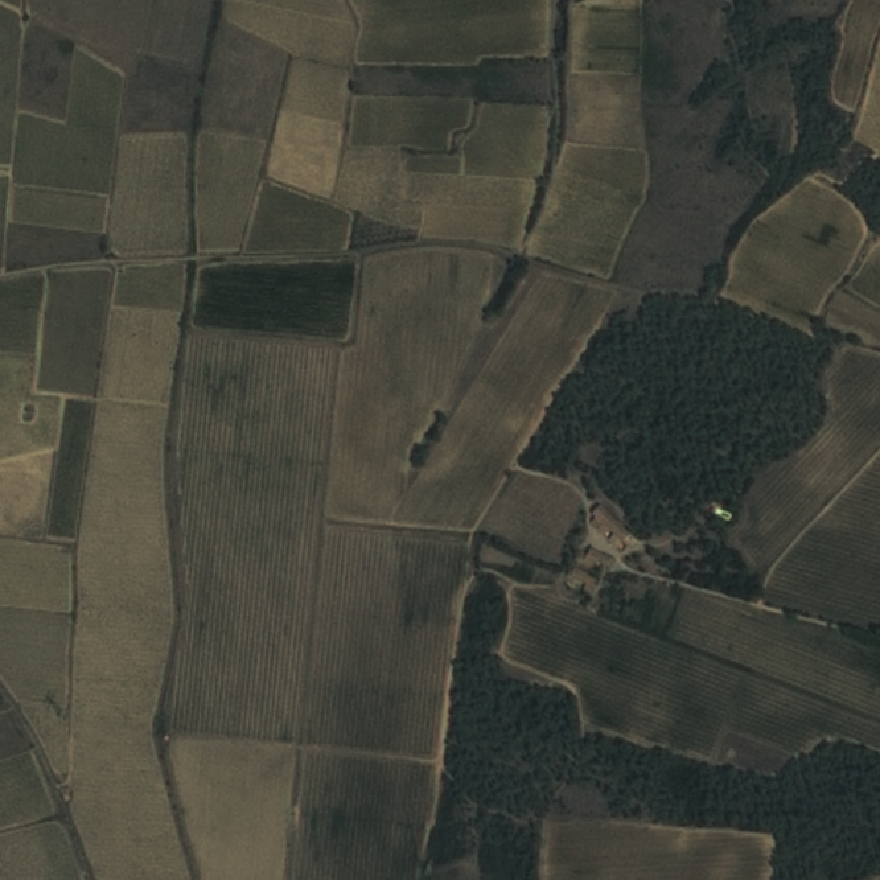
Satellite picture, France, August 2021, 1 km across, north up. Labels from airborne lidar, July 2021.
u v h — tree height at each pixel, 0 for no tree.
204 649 0
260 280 0
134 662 0
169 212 0
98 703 0
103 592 0
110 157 0
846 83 0
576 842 0
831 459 0
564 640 0
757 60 15
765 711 0
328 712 0
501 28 0
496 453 0
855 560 0
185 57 0
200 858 0
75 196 0
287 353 0
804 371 14
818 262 0
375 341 0
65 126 0
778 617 0
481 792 12
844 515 0
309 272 0
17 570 0
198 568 0
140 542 0
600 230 0
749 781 15
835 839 10
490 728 12
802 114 6
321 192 0
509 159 0
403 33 0
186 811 0
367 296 0
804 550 0
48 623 0
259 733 0
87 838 0
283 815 0
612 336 5
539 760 13
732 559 10
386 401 0
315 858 0
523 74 0
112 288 0
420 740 0
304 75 0
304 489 0
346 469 0
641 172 0
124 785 0
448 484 0
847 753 14
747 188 0
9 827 0
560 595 0
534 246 0
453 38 0
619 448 20
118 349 0
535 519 0
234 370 0
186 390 0
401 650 0
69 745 0
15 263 0
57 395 0
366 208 0
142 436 0
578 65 0
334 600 0
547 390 0
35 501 0
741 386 13
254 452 0
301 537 0
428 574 0
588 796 0
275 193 0
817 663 0
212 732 0
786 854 10
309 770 0
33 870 0
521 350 0
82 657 0
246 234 0
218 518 0
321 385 0
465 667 10
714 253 0
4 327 0
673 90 0
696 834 0
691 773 6
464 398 0
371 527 0
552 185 0
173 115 0
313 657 0
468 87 0
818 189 0
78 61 0
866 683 0
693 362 12
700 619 0
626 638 0
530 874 10
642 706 0
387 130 0
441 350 0
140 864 0
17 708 0
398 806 0
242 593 0
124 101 0
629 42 0
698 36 0
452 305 0
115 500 0
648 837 0
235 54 0
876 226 9
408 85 0
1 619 0
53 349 0
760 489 0
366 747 0
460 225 0
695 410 8
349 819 0
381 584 0
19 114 0
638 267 0
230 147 0
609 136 0
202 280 0
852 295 0
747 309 11
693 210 0
